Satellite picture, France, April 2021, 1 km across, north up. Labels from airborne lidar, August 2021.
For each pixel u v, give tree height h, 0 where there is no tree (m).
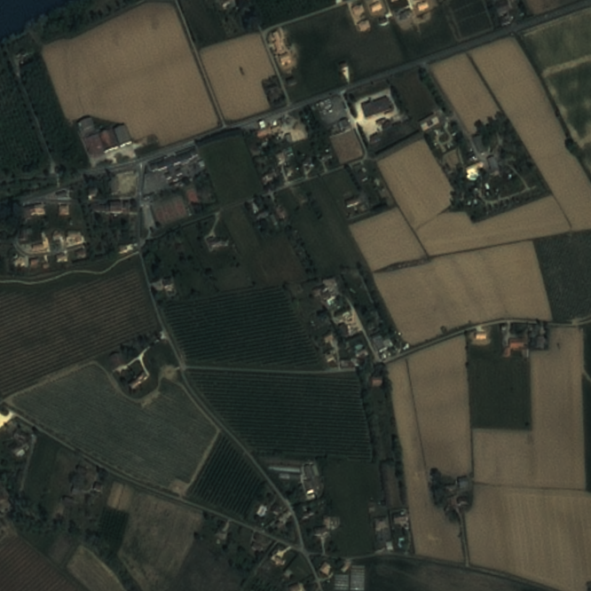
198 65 0
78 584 0
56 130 12
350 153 0
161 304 15
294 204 0
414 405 0
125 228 14
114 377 0
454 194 10
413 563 0
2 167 7
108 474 12
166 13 0
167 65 0
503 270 0
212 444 0
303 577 0
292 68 0
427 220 0
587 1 0
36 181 8
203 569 0
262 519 7
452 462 0
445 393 0
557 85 0
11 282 0
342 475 0
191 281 0
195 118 0
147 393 0
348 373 0
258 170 9
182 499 0
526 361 7
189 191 0
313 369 0
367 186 0
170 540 0
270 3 8
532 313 0
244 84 0
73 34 20
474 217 7
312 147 9
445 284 0
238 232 0
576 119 0
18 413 0
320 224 0
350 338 9
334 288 0
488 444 0
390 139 0
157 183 0
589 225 0
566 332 0
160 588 0
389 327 6
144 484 0
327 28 0
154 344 6
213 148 0
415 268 0
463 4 0
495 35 0
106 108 0
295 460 0
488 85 0
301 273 0
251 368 0
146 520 0
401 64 0
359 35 0
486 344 0
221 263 0
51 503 0
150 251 10
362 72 0
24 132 8
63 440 0
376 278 0
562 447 0
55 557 0
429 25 0
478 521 0
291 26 0
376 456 13
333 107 0
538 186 7
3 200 6
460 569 0
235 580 0
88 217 10
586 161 0
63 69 0
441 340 0
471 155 0
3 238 7
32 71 10
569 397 0
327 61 0
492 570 0
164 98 0
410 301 0
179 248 16
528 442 0
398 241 0
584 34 0
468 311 0
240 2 14
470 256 0
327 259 0
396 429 0
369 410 15
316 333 0
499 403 0
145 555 0
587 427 0
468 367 9
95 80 0
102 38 0
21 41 7
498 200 7
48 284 0
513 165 9
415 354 0
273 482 7
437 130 0
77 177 18
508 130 18
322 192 0
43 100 9
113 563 21
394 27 0
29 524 28
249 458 0
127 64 0
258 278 0
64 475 0
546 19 0
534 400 0
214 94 0
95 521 7
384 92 0
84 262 9
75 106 0
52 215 0
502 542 0
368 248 0
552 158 0
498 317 0
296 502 9
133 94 0
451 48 0
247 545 0
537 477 0
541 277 0
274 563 0
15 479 13
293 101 0
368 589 0
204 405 0
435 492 15
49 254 0
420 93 0
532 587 0
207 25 0
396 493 0
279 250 0
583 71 0
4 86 12
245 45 0
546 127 0
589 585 10
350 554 0
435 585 0
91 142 0
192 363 0
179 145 0
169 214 0
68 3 19
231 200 0
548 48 0
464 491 0
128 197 0
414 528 0
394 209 0
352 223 0
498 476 0
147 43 0
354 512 0
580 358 0
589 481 0
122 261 0
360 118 0
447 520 0
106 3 0
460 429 0
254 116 0
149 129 0
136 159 0
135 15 0
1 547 0
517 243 0
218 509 0
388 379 10
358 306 13
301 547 0
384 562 0
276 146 11
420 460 0
